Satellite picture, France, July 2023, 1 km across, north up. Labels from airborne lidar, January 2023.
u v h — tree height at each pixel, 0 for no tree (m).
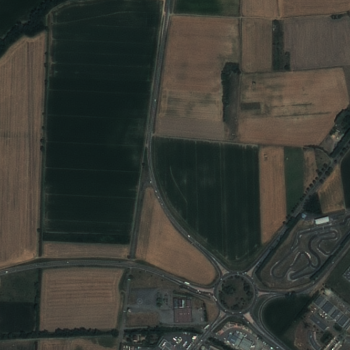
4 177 0
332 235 0
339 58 0
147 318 0
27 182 0
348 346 0
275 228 0
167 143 0
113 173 0
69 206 0
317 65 0
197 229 0
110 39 0
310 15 0
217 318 0
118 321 0
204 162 0
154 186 0
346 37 0
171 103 0
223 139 0
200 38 0
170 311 0
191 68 0
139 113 0
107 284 0
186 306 0
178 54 0
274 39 0
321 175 12
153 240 0
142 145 0
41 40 0
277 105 0
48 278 0
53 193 0
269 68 0
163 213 0
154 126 0
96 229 0
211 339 10
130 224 0
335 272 0
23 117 0
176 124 0
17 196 0
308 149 0
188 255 0
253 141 0
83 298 0
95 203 0
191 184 0
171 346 0
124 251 0
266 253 0
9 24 0
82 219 0
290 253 0
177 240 0
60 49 0
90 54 0
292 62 0
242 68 0
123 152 0
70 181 0
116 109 0
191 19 0
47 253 0
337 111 0
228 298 0
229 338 0
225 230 0
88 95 0
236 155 0
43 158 0
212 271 0
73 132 0
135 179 0
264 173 0
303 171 0
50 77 0
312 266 0
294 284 0
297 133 0
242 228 0
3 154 0
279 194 0
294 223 12
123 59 0
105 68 0
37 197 0
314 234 0
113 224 0
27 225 0
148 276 0
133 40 0
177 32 0
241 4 0
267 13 0
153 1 0
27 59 0
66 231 0
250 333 0
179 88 0
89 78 0
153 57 0
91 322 0
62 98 0
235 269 0
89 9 0
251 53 0
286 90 0
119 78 0
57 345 0
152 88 0
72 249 0
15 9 0
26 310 0
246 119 0
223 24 0
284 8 0
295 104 0
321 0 0
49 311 0
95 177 0
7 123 0
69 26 0
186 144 0
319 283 0
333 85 0
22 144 0
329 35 0
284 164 0
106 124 0
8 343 0
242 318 0
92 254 0
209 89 0
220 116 0
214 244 0
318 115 0
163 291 0
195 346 0
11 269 0
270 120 0
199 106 0
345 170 0
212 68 0
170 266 0
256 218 0
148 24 0
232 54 0
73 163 0
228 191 0
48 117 0
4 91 0
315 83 0
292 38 0
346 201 0
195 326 0
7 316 0
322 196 0
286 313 0
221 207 0
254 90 0
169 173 0
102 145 0
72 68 0
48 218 0
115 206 0
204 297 0
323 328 0
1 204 0
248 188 0
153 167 0
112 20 0
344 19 0
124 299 0
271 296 0
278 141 0
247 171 0
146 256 0
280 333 0
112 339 0
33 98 0
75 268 0
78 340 0
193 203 0
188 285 0
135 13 0
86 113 0
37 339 0
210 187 0
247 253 0
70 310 0
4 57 0
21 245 0
